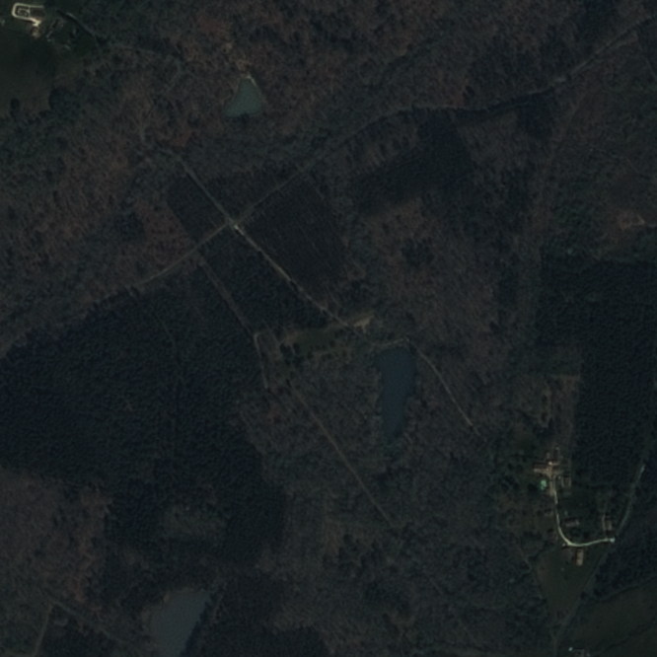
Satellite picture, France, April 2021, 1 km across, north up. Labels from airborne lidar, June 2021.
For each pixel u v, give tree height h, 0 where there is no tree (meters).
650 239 14
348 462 13
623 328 17
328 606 24
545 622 11
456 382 15
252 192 12
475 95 17
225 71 16
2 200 14
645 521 11
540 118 8
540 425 9
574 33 13
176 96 11
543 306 15
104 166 16
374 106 15
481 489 17
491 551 14
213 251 14
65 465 19
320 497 18
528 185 13
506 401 10
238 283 16
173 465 14
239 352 15
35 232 15
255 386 16
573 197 13
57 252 19
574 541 10
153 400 14
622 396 15
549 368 15
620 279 17
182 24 14
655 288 18
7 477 10
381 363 0
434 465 14
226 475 17
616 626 0
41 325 17
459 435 20
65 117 16
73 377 15
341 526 14
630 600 0
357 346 20
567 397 13
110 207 9
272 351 14
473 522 21
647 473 7
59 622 12
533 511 0
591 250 14
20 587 15
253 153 17
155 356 17
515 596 19
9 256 12
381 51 18
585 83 13
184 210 13
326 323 19
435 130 16
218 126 12
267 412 7
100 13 12
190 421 19
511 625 18
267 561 13
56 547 7
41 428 21
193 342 17
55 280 16
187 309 15
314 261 14
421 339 7
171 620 0
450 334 15
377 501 20
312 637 18
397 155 9
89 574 10
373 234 10
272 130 13
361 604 21
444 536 21
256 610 17
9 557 12
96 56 18
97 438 15
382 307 22
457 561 6
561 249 12
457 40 17
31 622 19
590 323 16
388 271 14
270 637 18
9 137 9
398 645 11
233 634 18
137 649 25
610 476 14
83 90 9
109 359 20
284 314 16
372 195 17
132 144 15
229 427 15
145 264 11
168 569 18
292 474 15
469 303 16
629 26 9
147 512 21
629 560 18
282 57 9
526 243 13
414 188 15
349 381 21
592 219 10
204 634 14
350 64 13
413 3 9
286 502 18
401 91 12
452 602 21
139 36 15
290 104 8
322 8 10
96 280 9
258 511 18
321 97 14
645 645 0
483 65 14
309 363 11
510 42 13
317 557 24
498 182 7
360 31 12
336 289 10
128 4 16
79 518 10
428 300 11
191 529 18
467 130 11
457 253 14
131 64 15
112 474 15
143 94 17
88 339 18
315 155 15
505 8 13
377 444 23
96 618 18
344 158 13
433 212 11
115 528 18
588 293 17
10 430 19
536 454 8
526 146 11
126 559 15
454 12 18
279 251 12
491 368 13
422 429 15
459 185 16
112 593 17
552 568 0
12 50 0
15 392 18
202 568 18
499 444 15
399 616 11
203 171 14
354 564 13
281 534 15
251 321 14
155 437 15
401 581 20
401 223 14
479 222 11
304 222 12
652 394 17
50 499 11
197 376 15
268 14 6
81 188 14
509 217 15
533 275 12
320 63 12
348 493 11
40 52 0
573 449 15
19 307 6
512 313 11
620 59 8
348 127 22
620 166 12
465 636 25
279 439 15
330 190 22
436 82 13
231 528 19
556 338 16
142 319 17
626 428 18
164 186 18
